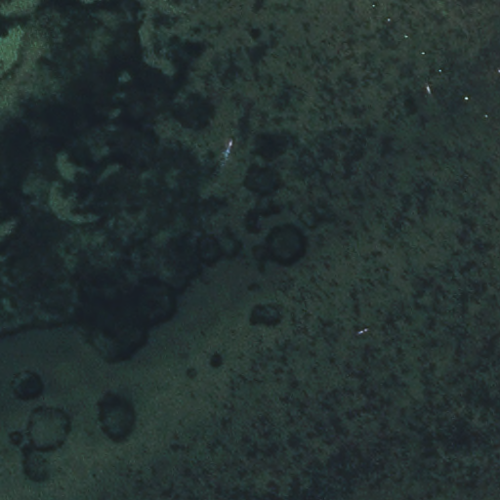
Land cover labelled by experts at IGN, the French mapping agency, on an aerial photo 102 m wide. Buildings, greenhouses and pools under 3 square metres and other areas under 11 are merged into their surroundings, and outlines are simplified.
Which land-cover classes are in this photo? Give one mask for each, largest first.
<instances>
[{"label":"water","instance_id":"1","mask_svg":"<svg viewBox=\"0 0 500 500\"><path fill-rule=\"evenodd\" d=\"M0 500H500V0H0Z\"/></svg>","mask_w":500,"mask_h":500}]
</instances>
